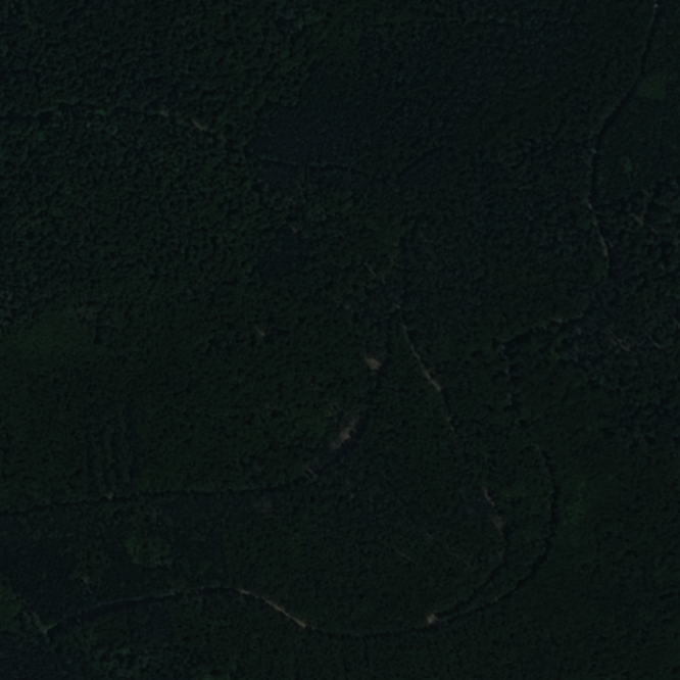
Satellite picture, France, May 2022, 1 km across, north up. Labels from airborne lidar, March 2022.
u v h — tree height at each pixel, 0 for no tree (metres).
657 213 36
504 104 22
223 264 29
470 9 22
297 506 22
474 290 23
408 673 23
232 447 23
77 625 29
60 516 24
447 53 23
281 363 23
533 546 24
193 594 28
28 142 26
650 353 29
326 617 15
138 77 27
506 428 23
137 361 23
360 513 22
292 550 20
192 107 30
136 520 22
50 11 25
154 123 26
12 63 28
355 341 22
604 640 28
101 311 11
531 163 30
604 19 21
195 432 25
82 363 22
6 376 20
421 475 20
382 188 23
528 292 25
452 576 23
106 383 22
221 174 30
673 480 31
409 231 28
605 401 26
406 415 18
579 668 26
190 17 29
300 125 22
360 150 19
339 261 24
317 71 21
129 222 27
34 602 23
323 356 24
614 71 22
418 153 20
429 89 21
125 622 29
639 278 29
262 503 20
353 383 24
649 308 28
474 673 22
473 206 26
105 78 28
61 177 29
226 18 30
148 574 21
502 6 19
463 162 26
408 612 18
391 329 21
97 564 22
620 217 32
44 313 15
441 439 23
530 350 30
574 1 20
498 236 26
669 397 35
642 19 19
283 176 28
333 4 25
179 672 17
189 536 21
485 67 22
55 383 20
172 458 26
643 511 31
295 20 26
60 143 25
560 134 26
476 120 21
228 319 24
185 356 25
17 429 24
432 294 26
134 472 25
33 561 16
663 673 26
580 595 27
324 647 20
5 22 29
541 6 20
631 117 16
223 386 25
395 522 21
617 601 25
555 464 23
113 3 27
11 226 29
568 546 26
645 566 31
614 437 29
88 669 32
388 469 26
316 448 22
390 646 24
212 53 33
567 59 23
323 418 25
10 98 29
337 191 22
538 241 26
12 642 26
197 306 28
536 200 23
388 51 23
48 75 27
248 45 33
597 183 21
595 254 27
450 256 31
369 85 22
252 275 27
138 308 21
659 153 19
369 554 19
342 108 19
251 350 24
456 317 27
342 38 24
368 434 22
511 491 23
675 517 27
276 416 23
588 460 26
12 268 25
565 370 32
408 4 26
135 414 25
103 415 24
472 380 25
